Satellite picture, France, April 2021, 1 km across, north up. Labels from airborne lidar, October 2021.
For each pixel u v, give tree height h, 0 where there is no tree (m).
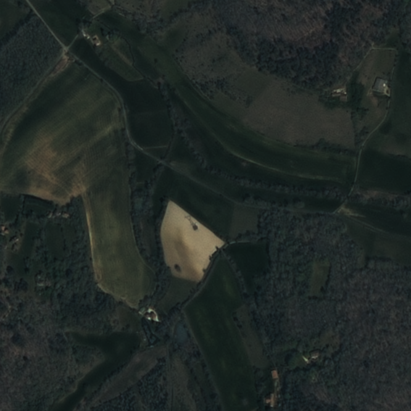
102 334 16
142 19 12
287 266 16
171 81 0
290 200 0
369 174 0
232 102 0
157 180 12
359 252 24
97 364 0
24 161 0
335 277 17
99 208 0
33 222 16
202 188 0
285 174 0
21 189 0
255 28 21
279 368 5
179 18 20
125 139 12
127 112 15
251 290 0
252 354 0
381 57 0
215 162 0
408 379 22
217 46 0
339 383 8
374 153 0
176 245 0
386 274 14
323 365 5
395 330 13
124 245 0
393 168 0
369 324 15
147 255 16
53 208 18
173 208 0
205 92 9
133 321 0
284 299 13
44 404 14
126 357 0
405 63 0
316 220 16
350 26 22
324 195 18
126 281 0
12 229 13
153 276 0
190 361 14
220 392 0
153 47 0
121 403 13
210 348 0
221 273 0
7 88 26
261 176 0
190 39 0
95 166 0
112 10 10
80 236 17
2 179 0
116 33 16
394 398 18
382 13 12
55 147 0
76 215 17
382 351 10
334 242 20
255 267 0
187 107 0
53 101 0
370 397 15
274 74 18
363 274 21
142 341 0
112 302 22
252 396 0
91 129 0
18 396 25
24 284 10
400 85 0
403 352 15
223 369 0
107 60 9
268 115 0
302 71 21
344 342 14
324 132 0
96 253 0
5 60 29
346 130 0
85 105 0
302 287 14
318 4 18
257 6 21
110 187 0
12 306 21
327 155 0
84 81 0
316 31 10
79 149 0
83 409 17
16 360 8
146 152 0
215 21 12
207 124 0
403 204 21
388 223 0
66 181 0
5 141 0
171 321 16
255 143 0
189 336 7
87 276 23
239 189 0
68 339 17
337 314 18
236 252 0
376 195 0
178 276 0
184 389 0
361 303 13
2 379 7
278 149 0
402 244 0
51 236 0
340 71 20
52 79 0
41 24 19
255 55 14
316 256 21
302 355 6
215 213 0
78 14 0
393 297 20
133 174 8
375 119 0
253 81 0
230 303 0
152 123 0
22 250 0
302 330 15
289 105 0
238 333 0
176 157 0
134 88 0
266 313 16
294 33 20
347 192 0
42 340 15
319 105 0
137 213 11
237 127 0
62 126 0
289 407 19
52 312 21
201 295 0
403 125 0
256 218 0
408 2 9
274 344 24
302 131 0
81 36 17
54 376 20
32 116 0
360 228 0
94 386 0
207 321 0
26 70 27
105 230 0
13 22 0
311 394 23
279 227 15
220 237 10
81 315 28
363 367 12
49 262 18
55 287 12
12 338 17
